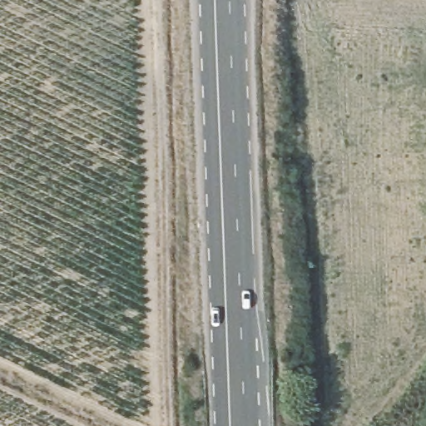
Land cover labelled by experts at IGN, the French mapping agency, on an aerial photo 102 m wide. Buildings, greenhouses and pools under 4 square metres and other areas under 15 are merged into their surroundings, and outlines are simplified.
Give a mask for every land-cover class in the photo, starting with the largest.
<instances>
[{"label":"herbaceous vegetation","instance_id":"1","mask_svg":"<svg viewBox=\"0 0 426 426\"><path fill-rule=\"evenodd\" d=\"M166 110L171 161L170 275L173 386L178 383V369H183L185 361L193 364L196 371L191 378L186 379L185 384L190 386L191 396L195 398L193 408L196 409L195 419L200 426H205V411L201 406H205L208 401L210 391L205 363V333L215 331L216 326H211L215 316L210 315V310H213L211 301L208 300L211 276L208 275L206 268L210 261L206 235L210 231V223L206 220L205 211H198L196 196L190 0H163ZM278 5H285V0H256V83L263 206L261 228L265 308L270 318L268 338L275 336L276 348H286V328L291 321V285L285 275V255L280 240L283 233V206L278 191L271 195L268 193V186H275L278 183V161L273 156V151L278 125V100L283 95V90L275 78L276 73H281L280 65L275 62V43L278 42L276 10ZM296 18L295 47L305 72L308 97L306 123L310 155L313 156L319 251L321 255H326L324 288L328 300V318L324 329L328 334L329 353L336 354V366L344 373L343 376H339V383L351 394V408L344 416L343 426H369L376 414L391 411L404 391L409 388L411 381L426 369V0H293Z\"/></svg>","mask_w":426,"mask_h":426},{"label":"vineyard","instance_id":"2","mask_svg":"<svg viewBox=\"0 0 426 426\"><path fill-rule=\"evenodd\" d=\"M140 0H0V356L87 398L95 393L100 394L103 398L98 404L113 409L125 418L135 419L150 414V384L145 379V371L141 369L145 353L141 349L148 346V336L145 333L148 296L145 280V240L148 233L143 203V188L146 181L143 148L145 140L141 138L143 130L140 128L143 123L140 118L143 111L140 110V105L143 93L140 92V88L145 87V83L140 82V78L145 77V73H141L143 55L140 40L143 33V18L138 17ZM0 426H121L102 418L93 409L72 403L52 393L43 384L30 383L17 371H8L0 366Z\"/></svg>","mask_w":426,"mask_h":426},{"label":"impervious surface","instance_id":"3","mask_svg":"<svg viewBox=\"0 0 426 426\"><path fill-rule=\"evenodd\" d=\"M196 196L198 211H205L206 220L210 223V231L206 235L210 261L206 268L208 275L211 276L208 300L211 301L213 310H210V315L215 316L211 326H216L215 331L205 333V363L210 391L208 401L205 406H201L205 411V426H273V364L270 359L268 338L270 318L265 308L261 228L263 206L256 83V0H190Z\"/></svg>","mask_w":426,"mask_h":426},{"label":"deciduous trees","instance_id":"4","mask_svg":"<svg viewBox=\"0 0 426 426\"><path fill-rule=\"evenodd\" d=\"M278 42L275 43V62L280 65L281 73H276L275 78L283 90V95L278 100V125L273 151V156L278 161V183L275 186H268V193L271 195L278 191L283 206V233L280 240L285 255V275L291 285V321L286 328V348H276L275 336L268 338L270 359L273 364V426H343L344 416L351 408V394L339 383V376H343L344 373L336 366V354L329 353L328 334L324 329L328 318V300L324 288L326 255H321L319 251L313 156L310 155L306 123L308 97L305 72L295 47L296 18L293 0H285V5H278L276 10ZM196 371L193 364L185 361L183 369H178V383L173 386L175 426H200L195 419L196 409L193 408L195 398L191 396L190 386L185 384L186 379L191 378ZM369 426H426V369L411 381L409 388L404 391L391 411L376 414Z\"/></svg>","mask_w":426,"mask_h":426},{"label":"pervious surface","instance_id":"5","mask_svg":"<svg viewBox=\"0 0 426 426\"><path fill-rule=\"evenodd\" d=\"M138 17L143 18V33L140 40L143 55L141 73H145V77L140 78V82L145 83V87L140 88V92L143 93L140 105V110L143 111L140 118L143 123L140 128L143 130L141 138L145 140L143 148L146 181L143 188V203L148 233L145 240V280L148 296L145 333L148 336V346L141 349L145 353L141 369L145 371V379L150 384V414L135 419L125 418L113 409L98 404L103 398L100 394L95 393L87 398L0 356V366L8 371H17L30 383L43 384L52 393L72 403L93 409L102 418L121 426H175L173 386L170 275L171 161L166 110L163 0H140Z\"/></svg>","mask_w":426,"mask_h":426}]
</instances>
